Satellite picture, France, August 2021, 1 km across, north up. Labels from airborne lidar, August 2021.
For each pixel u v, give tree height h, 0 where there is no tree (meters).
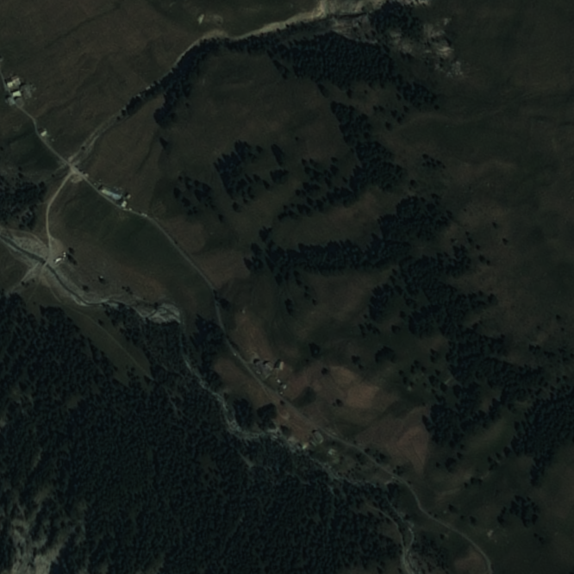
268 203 0
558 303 0
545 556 0
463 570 0
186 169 0
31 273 0
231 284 0
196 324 0
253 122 0
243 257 0
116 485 24
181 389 12
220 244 0
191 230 0
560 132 0
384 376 0
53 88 0
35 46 0
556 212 0
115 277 0
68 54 0
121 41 0
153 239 0
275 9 0
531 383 15
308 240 0
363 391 0
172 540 10
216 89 0
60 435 13
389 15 7
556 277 0
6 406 12
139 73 0
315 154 0
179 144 0
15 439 22
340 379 0
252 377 0
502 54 0
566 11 0
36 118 0
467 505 0
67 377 24
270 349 0
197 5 0
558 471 0
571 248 0
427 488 0
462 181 0
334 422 0
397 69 15
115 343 0
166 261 0
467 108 0
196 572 16
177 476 22
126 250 0
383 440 0
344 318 0
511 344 0
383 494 19
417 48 0
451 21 0
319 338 0
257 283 0
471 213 0
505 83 0
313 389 0
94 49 0
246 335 0
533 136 0
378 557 17
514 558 0
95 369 21
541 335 0
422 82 0
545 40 0
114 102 0
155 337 7
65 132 0
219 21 0
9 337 23
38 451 14
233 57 0
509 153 0
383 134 0
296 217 14
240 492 17
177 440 17
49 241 0
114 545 22
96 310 0
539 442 24
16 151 0
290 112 0
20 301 20
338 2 0
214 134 0
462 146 0
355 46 16
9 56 0
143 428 25
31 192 15
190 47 0
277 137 0
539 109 0
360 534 16
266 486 18
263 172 0
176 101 20
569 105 0
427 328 27
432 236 18
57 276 0
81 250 0
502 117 0
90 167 0
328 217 0
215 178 0
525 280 0
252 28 0
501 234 0
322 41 17
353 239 0
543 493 0
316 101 0
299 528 18
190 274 0
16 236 0
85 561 14
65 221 0
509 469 0
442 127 0
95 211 0
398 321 0
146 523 20
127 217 0
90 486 23
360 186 21
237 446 17
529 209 0
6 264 0
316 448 0
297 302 0
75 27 0
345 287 0
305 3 0
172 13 0
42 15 0
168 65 0
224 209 0
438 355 15
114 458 21
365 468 0
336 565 14
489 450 0
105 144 0
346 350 0
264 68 0
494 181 0
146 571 9
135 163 0
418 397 0
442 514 0
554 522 0
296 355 0
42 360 24
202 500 19
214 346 20
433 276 25
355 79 15
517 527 0
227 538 20
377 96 0
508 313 0
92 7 0
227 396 11
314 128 0
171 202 0
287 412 0
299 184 0
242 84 0
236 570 20
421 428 0
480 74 0
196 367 9
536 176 0
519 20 0
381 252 19
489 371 23
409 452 0
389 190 18
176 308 0
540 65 0
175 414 13
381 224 11
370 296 0
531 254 0
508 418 0
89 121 0
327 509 22
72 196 0
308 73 19
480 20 0
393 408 0
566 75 0
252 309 0
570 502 0
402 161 0
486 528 0
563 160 0
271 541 21
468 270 10
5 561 11
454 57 0
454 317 21
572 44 0
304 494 21
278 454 14
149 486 23
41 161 0
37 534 8
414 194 0
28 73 0
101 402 15
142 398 10
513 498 0
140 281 0
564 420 19
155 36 0
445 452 0
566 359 9
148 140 0
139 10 0
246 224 0
